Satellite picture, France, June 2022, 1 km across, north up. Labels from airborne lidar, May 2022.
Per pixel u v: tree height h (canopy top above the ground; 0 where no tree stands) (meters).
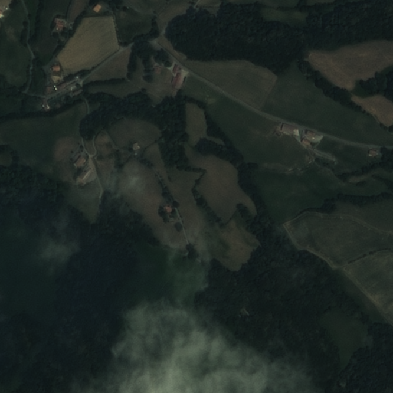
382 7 24
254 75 0
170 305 0
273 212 0
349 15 27
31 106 0
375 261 0
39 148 0
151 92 0
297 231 0
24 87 11
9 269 0
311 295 20
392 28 24
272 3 0
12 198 21
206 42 23
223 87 0
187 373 0
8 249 0
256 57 26
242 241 0
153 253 0
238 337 11
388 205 0
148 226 14
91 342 19
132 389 0
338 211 0
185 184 0
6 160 0
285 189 0
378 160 0
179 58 0
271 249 24
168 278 0
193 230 0
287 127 0
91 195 0
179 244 0
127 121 0
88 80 0
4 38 0
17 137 0
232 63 0
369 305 0
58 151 0
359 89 0
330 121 0
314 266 24
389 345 24
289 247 27
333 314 0
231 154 23
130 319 0
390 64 0
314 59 0
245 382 20
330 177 0
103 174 0
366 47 0
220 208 0
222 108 0
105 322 14
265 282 32
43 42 0
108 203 27
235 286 24
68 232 23
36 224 32
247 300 22
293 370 14
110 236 17
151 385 0
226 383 16
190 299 0
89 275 24
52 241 0
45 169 0
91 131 20
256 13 21
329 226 0
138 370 0
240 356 11
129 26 0
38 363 12
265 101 0
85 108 0
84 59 0
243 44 24
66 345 26
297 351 17
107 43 0
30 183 33
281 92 0
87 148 0
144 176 0
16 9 0
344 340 0
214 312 10
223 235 0
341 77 0
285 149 0
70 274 25
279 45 27
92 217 0
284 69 22
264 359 33
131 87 0
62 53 0
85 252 18
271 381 17
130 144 0
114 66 0
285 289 15
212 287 16
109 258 24
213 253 0
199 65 0
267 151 0
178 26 22
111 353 27
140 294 0
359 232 0
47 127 0
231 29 25
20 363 10
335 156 0
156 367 0
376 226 0
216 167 0
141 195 0
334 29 24
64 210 18
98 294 21
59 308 12
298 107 0
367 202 13
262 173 0
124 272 7
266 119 0
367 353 18
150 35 10
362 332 0
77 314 27
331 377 25
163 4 0
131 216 29
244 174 26
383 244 0
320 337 19
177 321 0
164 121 20
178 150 24
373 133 0
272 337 33
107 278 20
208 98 0
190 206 0
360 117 0
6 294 0
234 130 0
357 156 0
